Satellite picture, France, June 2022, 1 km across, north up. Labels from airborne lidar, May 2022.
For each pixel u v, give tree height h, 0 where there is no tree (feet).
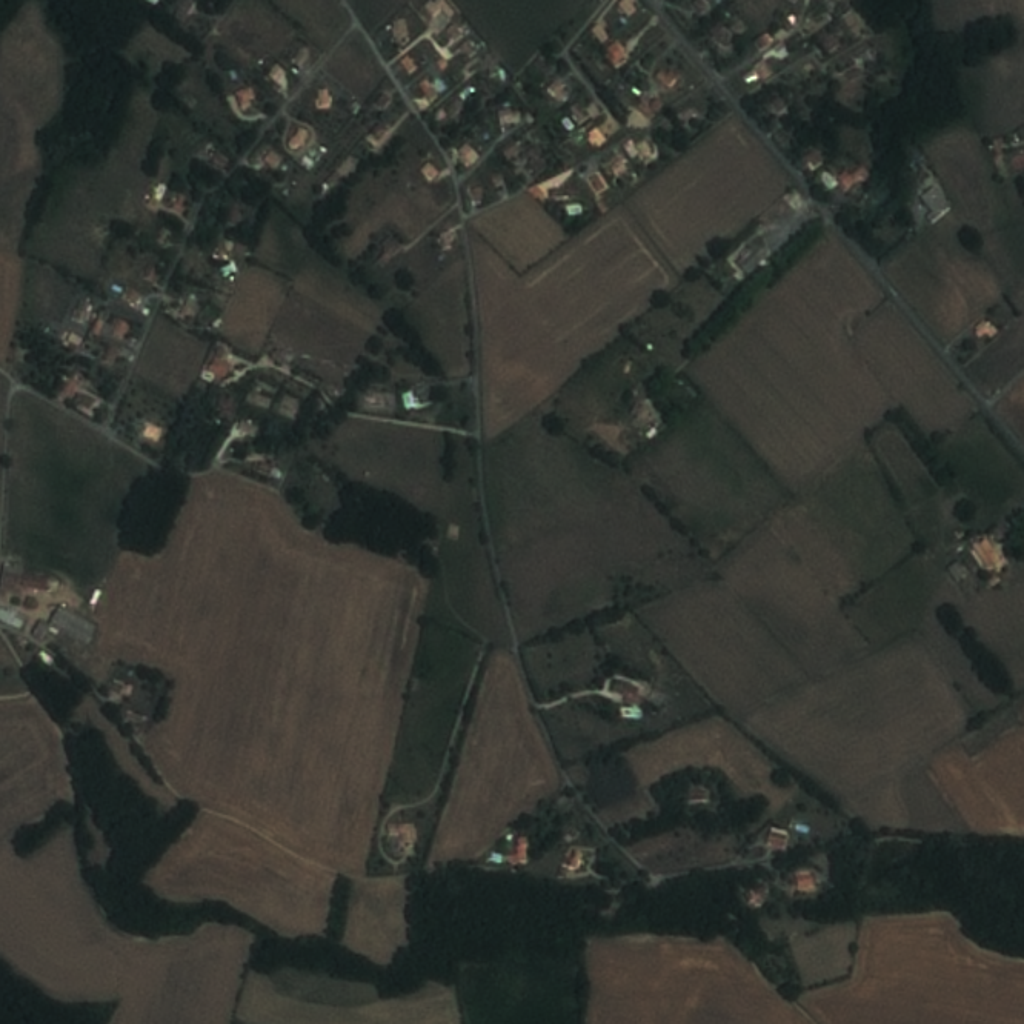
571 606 0
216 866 0
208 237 37
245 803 0
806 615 0
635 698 0
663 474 0
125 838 56
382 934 0
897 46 0
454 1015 0
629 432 0
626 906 24
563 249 0
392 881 0
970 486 0
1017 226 0
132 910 36
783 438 0
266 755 0
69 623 0
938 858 28
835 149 24
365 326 0
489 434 0
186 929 18
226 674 0
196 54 37
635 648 0
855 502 0
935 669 0
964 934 44
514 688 0
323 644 0
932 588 0
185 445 35
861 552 0
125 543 51
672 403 20
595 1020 0
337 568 0
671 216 0
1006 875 24
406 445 0
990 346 0
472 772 0
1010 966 0
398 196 0
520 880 42
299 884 0
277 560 0
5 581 0
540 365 0
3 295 0
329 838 0
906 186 36
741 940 49
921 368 0
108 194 0
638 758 0
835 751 0
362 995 0
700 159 0
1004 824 0
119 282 0
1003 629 0
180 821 46
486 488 0
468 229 0
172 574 0
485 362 0
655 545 0
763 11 0
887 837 49
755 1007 0
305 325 0
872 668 0
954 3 0
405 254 0
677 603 0
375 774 0
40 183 38
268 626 0
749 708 0
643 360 0
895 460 0
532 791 0
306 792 0
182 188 39
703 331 51
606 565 0
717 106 41
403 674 0
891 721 0
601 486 0
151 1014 0
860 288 0
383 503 64
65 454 0
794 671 0
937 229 0
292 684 0
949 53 71
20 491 0
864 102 30
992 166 0
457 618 0
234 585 0
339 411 37
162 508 69
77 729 36
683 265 0
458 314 0
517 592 0
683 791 38
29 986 54
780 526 0
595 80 52
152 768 28
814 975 0
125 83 57
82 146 24
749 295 74
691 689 0
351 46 0
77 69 32
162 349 0
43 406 0
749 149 0
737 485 0
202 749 0
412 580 0
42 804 0
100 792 60
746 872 37
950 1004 0
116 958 0
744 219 0
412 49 0
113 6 53
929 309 0
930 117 41
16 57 0
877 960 0
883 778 0
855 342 0
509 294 0
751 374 0
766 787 0
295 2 0
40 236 0
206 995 0
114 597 0
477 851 0
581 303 0
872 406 0
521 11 0
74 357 23
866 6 30
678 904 53
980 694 0
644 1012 0
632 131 0
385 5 0
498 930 48
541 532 0
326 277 0
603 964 0
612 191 0
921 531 0
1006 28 22
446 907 32
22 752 0
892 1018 0
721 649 0
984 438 0
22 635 0
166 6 37
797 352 0
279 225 0
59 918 0
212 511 0
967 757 0
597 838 20
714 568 0
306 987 0
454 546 0
